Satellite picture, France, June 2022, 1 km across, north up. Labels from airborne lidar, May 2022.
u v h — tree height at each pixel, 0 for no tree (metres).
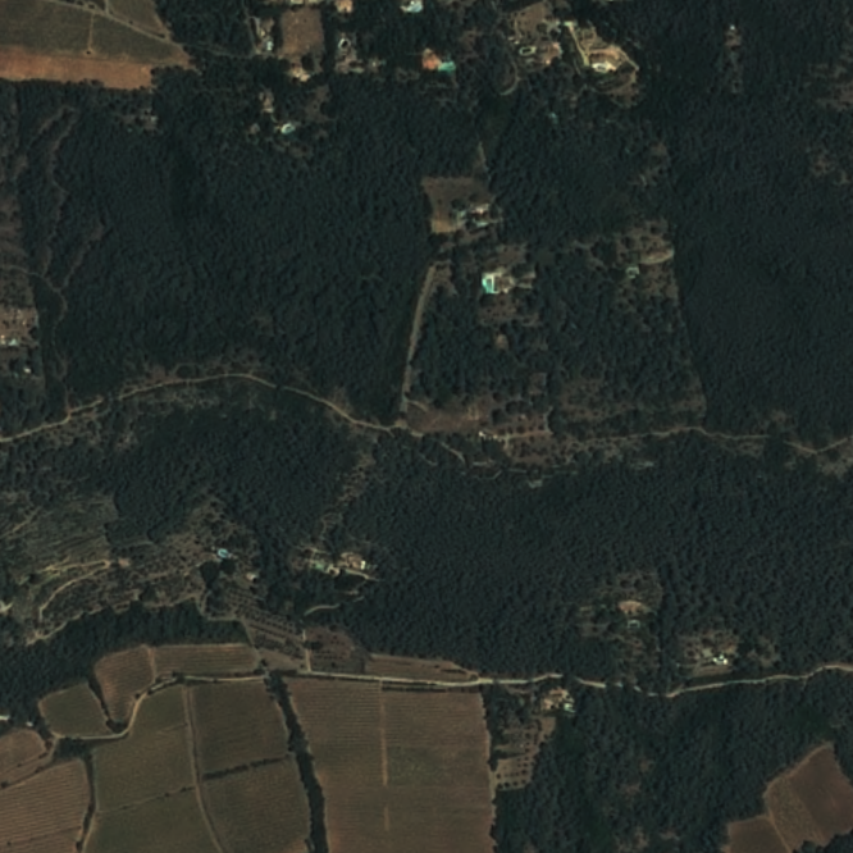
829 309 16
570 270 18
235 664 0
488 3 16
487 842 0
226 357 6
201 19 19
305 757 15
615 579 21
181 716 0
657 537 19
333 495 8
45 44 0
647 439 6
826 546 17
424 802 0
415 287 8
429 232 11
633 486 19
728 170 14
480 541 16
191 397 0
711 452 12
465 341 18
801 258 17
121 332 13
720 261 15
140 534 12
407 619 15
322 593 19
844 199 13
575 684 21
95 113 17
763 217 16
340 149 14
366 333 17
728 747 14
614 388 14
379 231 19
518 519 15
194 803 0
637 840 6
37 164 13
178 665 0
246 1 6
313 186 17
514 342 16
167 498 15
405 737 0
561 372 13
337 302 16
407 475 17
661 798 7
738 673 11
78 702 0
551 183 18
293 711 8
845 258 15
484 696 9
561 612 20
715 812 8
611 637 14
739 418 12
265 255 15
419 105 14
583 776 18
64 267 11
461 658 16
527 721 20
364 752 0
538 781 14
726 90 7
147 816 0
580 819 14
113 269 16
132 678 0
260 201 17
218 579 16
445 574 15
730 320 16
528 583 12
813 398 16
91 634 16
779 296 17
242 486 15
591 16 15
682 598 19
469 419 0
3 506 13
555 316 20
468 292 18
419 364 19
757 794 18
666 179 15
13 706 18
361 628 20
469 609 15
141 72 0
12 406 15
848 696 14
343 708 0
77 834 0
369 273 13
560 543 8
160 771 0
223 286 8
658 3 18
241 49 18
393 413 12
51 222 8
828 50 14
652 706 17
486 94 14
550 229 18
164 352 7
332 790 0
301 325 17
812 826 0
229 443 8
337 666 8
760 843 0
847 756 12
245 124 9
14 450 13
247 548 7
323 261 19
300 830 0
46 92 17
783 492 14
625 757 19
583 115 17
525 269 8
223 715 0
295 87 9
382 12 13
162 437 8
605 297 16
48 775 0
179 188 11
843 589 20
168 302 16
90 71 0
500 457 18
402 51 7
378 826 0
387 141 15
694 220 15
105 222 20
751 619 19
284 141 17
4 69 0
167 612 22
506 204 16
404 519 17
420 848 0
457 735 0
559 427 15
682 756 13
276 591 18
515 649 15
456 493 13
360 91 14
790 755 8
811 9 14
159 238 17
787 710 15
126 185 17
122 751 0
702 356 9
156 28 0
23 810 0
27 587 5
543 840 16
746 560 17
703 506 23
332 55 8
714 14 15
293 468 17
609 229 7
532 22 0
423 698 0
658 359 18
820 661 16
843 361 16
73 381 7
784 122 16
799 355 15
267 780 0
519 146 14
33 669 12
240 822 0
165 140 15
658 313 17
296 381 12
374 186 18
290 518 12
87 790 0
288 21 0
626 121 18
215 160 16
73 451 15
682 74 7
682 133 17
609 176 16
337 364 12
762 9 8
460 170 14
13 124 17
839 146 13
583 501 20
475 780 0
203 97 11
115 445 12
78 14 0
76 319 7
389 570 18
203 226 19
